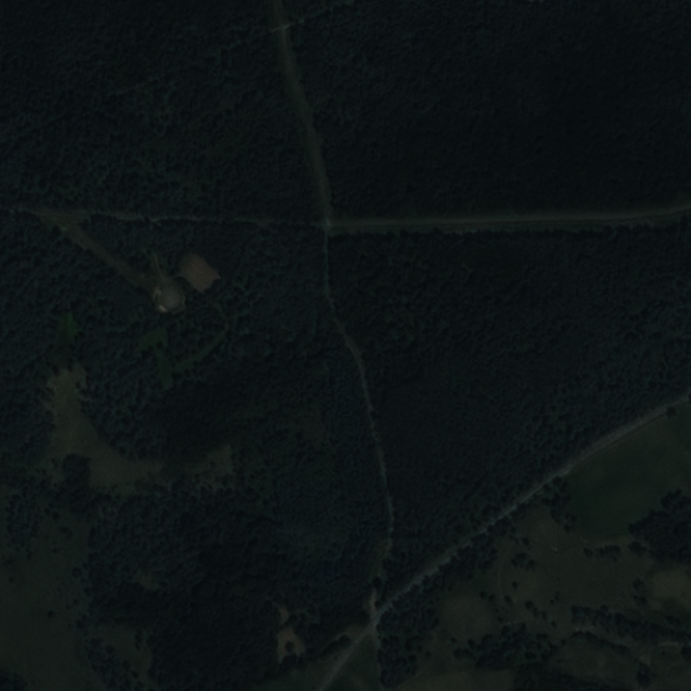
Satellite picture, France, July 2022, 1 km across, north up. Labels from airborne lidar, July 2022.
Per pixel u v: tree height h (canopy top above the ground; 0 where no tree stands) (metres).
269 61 17
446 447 17
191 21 22
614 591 0
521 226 0
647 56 21
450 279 18
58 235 20
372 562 25
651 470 0
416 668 13
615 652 8
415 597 12
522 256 18
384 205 21
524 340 13
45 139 18
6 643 0
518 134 20
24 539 14
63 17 19
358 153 21
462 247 20
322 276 15
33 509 14
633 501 0
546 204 21
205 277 0
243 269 16
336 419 20
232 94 15
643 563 0
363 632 0
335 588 20
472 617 0
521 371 17
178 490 16
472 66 19
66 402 0
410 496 16
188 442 19
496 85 18
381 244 21
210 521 15
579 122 26
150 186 16
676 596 0
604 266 18
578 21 19
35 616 0
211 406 15
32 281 19
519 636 7
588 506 0
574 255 13
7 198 18
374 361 17
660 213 0
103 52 12
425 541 8
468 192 21
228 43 20
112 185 15
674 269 16
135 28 14
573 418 18
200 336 8
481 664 15
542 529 0
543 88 20
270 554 22
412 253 19
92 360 16
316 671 0
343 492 16
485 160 19
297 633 15
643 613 0
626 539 0
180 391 15
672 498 18
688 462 0
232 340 15
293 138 18
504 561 0
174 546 22
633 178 20
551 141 26
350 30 16
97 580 11
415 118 17
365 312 16
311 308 17
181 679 20
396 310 19
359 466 23
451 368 15
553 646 14
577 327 18
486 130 20
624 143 24
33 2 23
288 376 14
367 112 18
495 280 17
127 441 16
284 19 0
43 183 11
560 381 21
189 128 7
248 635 19
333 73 18
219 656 19
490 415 18
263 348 17
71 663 0
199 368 13
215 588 17
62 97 26
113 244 13
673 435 0
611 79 23
